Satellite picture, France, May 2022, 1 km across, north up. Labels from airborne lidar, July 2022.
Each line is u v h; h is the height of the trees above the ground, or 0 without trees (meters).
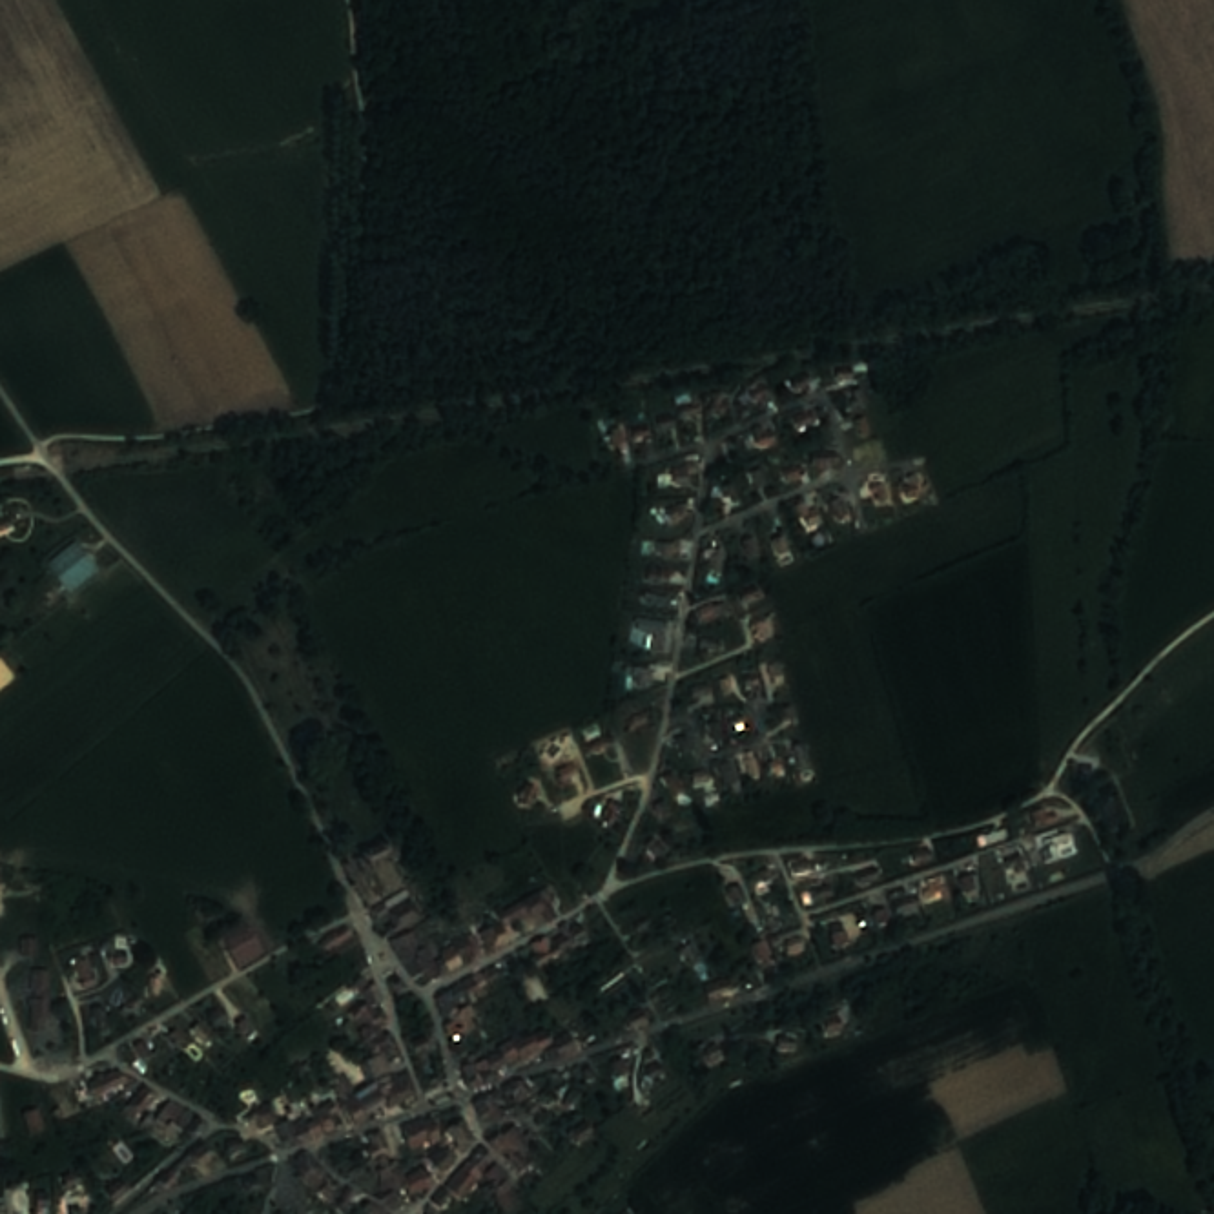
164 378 0
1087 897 0
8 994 0
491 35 26
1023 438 0
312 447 24
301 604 23
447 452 0
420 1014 10
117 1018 6
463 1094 0
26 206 0
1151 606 0
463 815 0
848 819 15
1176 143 0
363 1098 0
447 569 0
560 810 0
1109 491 0
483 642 0
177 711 0
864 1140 0
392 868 0
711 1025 0
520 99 18
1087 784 25
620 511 0
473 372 18
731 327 19
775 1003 7
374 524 0
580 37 18
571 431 0
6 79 0
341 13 0
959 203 0
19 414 0
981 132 0
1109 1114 0
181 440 7
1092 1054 0
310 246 0
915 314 21
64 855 0
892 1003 0
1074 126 0
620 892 0
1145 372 16
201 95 0
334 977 0
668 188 26
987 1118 0
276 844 0
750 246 30
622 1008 11
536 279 16
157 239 0
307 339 0
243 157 0
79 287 0
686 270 19
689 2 13
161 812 0
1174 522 0
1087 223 0
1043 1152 0
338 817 0
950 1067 0
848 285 21
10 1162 14
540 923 0
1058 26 0
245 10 0
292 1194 0
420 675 0
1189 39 0
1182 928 0
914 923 6
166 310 0
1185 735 0
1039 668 0
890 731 0
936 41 0
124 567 0
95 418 0
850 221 0
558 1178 0
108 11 0
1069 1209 0
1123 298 13
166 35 0
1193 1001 0
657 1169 0
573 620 0
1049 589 0
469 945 0
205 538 0
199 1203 6
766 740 0
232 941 0
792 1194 0
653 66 7
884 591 0
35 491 12
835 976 0
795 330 18
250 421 17
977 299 15
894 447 0
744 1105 0
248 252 0
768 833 0
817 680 0
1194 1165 14
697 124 24
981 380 0
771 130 20
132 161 0
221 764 0
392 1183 0
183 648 0
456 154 26
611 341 15
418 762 0
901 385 18
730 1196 0
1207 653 0
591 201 23
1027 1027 0
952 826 7
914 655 0
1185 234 0
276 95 0
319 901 0
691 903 0
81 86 0
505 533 0
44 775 0
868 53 0
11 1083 0
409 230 16
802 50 17
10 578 9
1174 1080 11
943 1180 0
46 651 0
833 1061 0
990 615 0
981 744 0
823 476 0
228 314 0
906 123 0
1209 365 0
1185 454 0
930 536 0
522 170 19
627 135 24
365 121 15
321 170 0
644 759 0
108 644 0
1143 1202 21
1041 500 0
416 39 19
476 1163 0
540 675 0
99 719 0
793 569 0
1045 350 0
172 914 0
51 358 0
